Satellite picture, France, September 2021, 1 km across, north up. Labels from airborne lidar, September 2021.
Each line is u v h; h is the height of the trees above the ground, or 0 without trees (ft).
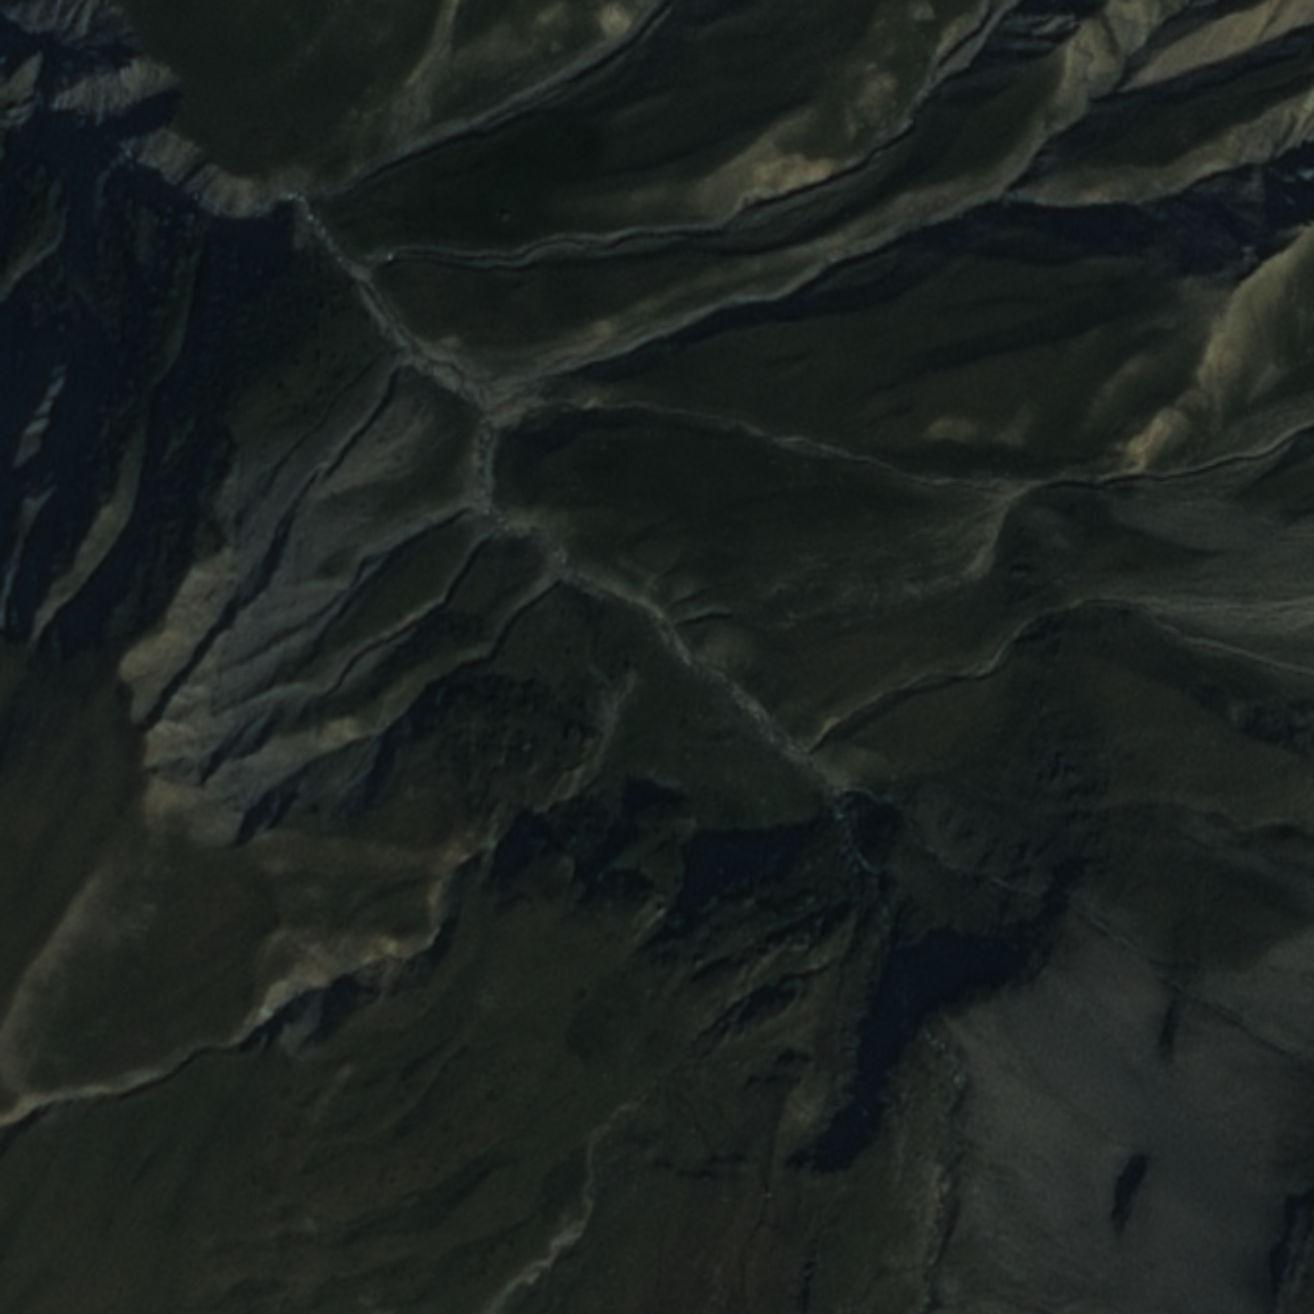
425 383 0
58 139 0
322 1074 0
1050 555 0
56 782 0
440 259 0
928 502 0
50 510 0
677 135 0
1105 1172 0
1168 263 0
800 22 0
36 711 0
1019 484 0
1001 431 0
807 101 0
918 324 0
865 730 0
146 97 0
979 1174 0
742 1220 0
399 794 0
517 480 0
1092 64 0
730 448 0
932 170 0
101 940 0
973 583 0
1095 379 0
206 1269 0
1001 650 0
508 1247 0
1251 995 0
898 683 0
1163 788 0
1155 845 0
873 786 0
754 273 0
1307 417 0
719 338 0
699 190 0
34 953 0
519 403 0
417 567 0
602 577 0
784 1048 0
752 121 0
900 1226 0
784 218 0
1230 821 0
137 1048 0
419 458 0
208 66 0
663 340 0
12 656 0
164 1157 0
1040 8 0
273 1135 0
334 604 0
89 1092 0
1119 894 0
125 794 0
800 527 0
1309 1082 0
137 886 0
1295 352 0
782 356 0
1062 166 0
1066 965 0
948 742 0
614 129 0
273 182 0
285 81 0
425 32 0
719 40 0
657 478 0
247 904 0
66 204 0
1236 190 0
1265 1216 0
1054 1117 0
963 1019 0
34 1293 0
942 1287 0
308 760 0
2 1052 0
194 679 0
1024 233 0
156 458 0
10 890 0
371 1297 0
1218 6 0
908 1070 0
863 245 0
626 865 0
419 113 0
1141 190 0
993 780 0
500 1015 0
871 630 0
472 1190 0
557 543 0
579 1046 0
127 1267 0
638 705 0
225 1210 0
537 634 0
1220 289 0
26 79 0
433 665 0
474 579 0
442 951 0
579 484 0
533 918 0
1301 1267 0
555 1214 0
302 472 0
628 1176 0
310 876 0
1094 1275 0
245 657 0
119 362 17
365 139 0
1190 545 0
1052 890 0
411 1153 0
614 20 0
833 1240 0
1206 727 0
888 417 0
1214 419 0
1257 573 0
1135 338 0
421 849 0
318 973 0
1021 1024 0
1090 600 0
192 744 0
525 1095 0
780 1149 0
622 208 0
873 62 0
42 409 0
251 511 0
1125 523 0
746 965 0
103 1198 0
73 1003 0
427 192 0
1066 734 0
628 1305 0
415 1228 0
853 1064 0
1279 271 0
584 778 0
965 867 0
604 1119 0
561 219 0
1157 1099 0
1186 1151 0
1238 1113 0
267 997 0
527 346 0
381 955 0
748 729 0
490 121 0
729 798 0
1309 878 0
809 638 0
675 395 0
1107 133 0
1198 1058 0
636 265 0
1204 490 0
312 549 0
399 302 0
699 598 0
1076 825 0
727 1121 0
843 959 0
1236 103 0
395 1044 0
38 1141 0
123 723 0
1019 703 0
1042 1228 0
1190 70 0
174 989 0
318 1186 0
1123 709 0
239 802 0
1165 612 0
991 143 0
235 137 0
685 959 0
